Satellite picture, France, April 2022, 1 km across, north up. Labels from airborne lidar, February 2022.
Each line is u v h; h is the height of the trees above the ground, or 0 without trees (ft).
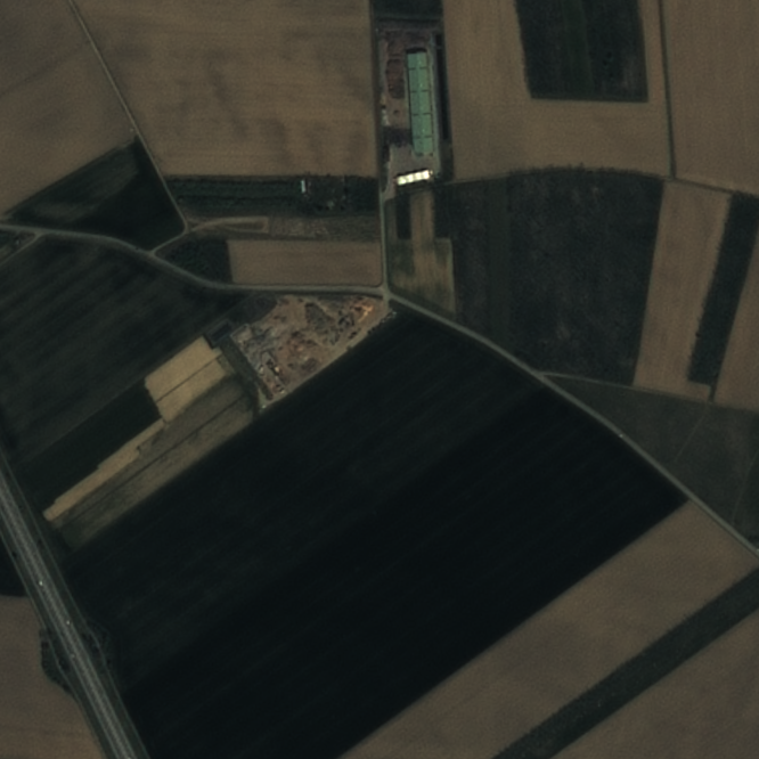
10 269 0
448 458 0
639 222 0
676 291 0
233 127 0
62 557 0
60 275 0
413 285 0
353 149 0
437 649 0
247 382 0
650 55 0
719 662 0
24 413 0
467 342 0
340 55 0
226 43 0
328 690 0
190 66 0
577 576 0
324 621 0
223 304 0
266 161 0
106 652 37
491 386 0
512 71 0
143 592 0
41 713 0
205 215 0
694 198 0
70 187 0
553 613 0
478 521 0
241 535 0
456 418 0
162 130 0
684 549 0
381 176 0
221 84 0
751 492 0
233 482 0
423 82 0
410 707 0
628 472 0
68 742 0
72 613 0
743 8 0
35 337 0
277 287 0
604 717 0
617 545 0
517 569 0
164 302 0
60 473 0
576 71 0
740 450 0
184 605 0
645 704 0
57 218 0
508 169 0
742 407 0
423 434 0
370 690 0
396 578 0
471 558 0
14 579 0
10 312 0
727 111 0
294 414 0
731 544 0
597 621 0
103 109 0
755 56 0
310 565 0
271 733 0
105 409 0
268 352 0
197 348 0
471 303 0
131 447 0
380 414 0
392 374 0
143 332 0
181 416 0
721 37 0
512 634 0
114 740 0
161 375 0
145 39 0
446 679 0
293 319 0
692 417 0
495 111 0
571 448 0
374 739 0
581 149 0
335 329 0
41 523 0
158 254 0
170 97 0
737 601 0
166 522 0
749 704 0
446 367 0
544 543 0
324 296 0
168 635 0
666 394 0
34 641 0
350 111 0
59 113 0
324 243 0
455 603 0
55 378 0
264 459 0
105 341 0
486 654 0
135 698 0
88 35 0
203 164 0
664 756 0
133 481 0
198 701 0
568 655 0
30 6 0
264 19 0
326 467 0
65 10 0
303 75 0
